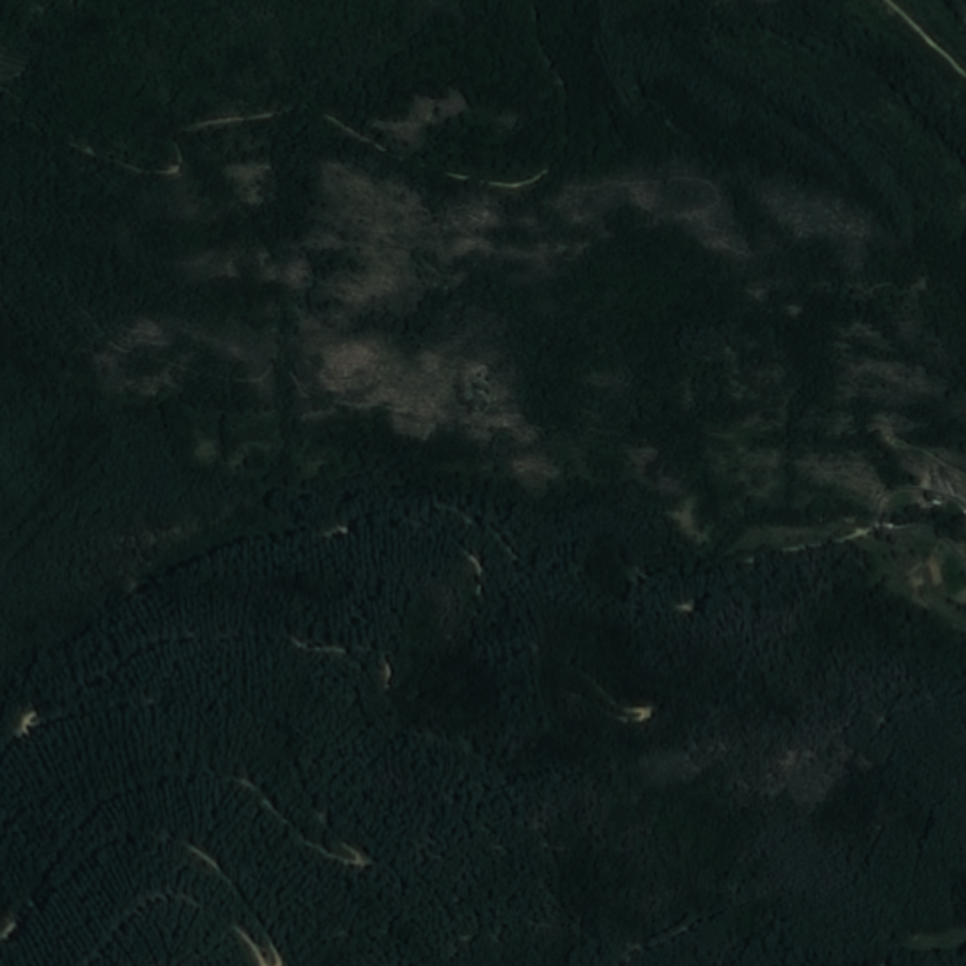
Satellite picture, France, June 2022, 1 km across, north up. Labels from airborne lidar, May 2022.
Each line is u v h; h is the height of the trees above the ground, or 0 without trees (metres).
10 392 32
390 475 18
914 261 12
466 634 19
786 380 9
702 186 0
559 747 15
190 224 8
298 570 32
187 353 6
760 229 11
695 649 26
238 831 27
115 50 11
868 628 17
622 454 6
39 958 23
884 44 16
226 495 24
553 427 11
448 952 23
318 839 30
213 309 9
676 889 20
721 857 22
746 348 21
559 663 16
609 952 35
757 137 17
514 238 12
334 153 9
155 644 32
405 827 27
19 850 28
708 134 14
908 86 21
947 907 37
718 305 15
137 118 11
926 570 0
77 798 17
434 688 28
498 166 11
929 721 30
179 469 23
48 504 20
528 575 32
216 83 10
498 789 28
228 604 23
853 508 14
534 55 16
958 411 0
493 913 32
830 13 21
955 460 0
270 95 10
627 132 18
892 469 8
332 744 30
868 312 12
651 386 12
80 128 12
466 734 21
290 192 21
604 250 15
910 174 14
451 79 20
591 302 11
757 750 17
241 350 0
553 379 15
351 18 11
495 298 12
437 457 16
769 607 11
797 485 10
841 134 33
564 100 17
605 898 16
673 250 17
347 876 29
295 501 26
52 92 17
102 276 10
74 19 19
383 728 28
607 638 21
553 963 18
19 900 24
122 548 8
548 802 27
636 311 18
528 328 13
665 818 18
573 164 13
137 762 24
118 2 13
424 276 11
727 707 12
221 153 9
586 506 24
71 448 28
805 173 9
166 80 9
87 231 6
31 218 9
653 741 12
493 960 27
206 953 24
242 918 23
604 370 9
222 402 10
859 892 33
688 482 8
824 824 18
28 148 14
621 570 16
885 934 30
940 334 16
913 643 18
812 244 8
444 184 17
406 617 23
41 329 13
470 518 30
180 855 24
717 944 35
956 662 17
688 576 20
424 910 28
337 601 22
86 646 29
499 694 26
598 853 15
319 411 9
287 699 31
